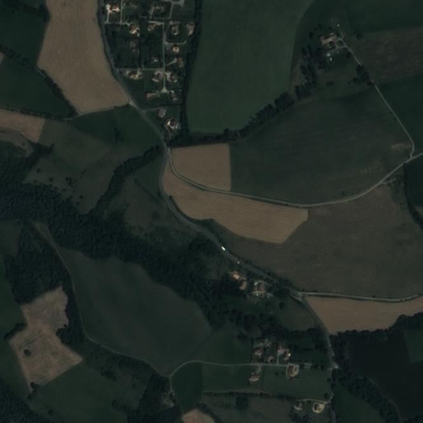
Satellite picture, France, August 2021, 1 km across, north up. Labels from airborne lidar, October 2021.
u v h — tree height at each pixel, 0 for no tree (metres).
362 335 10
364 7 0
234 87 0
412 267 0
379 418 0
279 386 0
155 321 0
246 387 0
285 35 0
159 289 0
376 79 0
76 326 18
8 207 9
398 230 0
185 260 11
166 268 17
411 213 7
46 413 0
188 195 0
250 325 9
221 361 0
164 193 0
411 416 0
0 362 0
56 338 0
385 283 0
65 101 9
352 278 0
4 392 16
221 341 0
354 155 0
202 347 0
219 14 0
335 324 0
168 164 0
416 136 0
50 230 12
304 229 0
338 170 0
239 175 0
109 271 0
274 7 0
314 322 0
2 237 0
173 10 0
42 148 11
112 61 0
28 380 0
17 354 0
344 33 0
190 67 17
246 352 0
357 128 0
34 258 15
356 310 0
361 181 0
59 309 0
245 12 0
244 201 0
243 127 0
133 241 20
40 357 0
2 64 0
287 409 0
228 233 0
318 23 0
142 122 0
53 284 11
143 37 13
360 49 0
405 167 8
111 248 19
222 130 0
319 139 0
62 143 0
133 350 0
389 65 0
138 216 0
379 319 0
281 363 0
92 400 0
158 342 0
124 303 0
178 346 0
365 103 0
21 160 7
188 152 0
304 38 0
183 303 0
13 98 0
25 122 0
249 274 7
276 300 0
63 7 0
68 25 0
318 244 0
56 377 0
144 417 8
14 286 8
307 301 0
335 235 0
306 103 0
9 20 0
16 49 0
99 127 0
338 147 0
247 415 0
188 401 0
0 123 0
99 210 13
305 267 0
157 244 7
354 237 0
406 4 0
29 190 9
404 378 0
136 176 0
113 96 0
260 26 0
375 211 0
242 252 0
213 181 0
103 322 0
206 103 0
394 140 0
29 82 0
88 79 0
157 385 16
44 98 0
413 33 0
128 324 0
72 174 0
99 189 0
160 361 0
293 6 0
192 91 0
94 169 0
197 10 14
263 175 0
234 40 0
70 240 14
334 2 0
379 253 0
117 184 15
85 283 0
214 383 0
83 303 0
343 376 19
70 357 0
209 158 0
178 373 0
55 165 0
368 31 0
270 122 0
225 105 0
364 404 0
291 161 0
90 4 0
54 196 12
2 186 17
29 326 0
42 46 0
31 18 0
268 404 0
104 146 0
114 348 0
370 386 22
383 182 0
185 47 0
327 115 0
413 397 0
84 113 0
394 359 0
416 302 0
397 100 0
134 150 0
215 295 22
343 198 0
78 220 20
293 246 0
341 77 0
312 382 0
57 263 9
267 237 0
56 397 0
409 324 20
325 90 0
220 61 0
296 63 0
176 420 7
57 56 0
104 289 0
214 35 0
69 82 0
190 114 0
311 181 0
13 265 10
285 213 0
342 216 0
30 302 13
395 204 0
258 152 0
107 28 8
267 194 0
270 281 11
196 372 0
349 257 0
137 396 0
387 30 0
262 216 0
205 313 9
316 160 0
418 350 0
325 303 0
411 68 0
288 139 0
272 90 0
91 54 0
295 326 0
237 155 0
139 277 0
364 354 0
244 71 0
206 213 0
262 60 0
